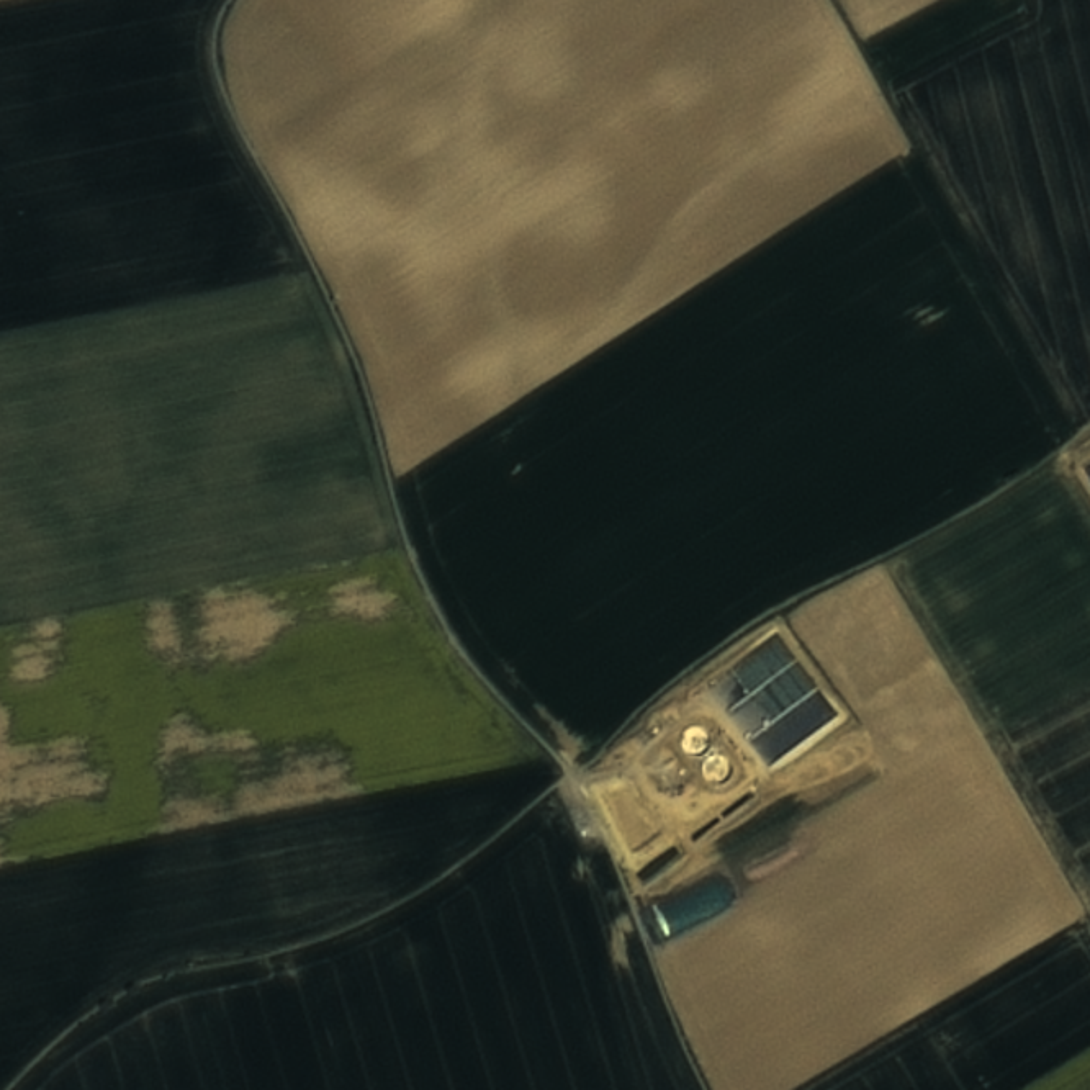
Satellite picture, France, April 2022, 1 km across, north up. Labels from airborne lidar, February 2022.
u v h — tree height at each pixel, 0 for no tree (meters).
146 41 0
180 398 0
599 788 0
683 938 0
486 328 0
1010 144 0
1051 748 0
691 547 0
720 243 0
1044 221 0
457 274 0
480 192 0
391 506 0
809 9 0
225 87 0
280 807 0
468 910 0
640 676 0
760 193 0
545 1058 0
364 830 0
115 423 0
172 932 0
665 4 0
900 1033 0
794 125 0
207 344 0
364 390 8
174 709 0
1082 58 0
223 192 0
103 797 0
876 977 0
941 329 0
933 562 0
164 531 0
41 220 0
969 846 0
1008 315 0
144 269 0
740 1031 0
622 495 0
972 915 0
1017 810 0
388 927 0
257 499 0
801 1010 0
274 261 0
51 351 0
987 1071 0
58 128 0
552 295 0
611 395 0
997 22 0
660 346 0
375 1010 0
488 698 0
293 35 0
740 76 0
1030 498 0
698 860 0
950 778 0
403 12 0
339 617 0
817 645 0
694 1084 0
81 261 0
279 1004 0
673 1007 0
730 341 0
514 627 0
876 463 0
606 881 0
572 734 0
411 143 0
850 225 0
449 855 0
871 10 0
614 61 0
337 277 0
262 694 0
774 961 0
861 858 0
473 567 0
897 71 0
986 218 0
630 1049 0
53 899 0
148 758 0
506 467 0
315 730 0
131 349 0
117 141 0
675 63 0
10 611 0
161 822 0
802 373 0
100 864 0
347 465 0
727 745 0
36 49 0
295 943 0
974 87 0
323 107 0
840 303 0
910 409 0
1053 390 0
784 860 0
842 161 0
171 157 0
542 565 0
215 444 0
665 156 0
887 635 0
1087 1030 0
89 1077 0
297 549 0
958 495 0
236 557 0
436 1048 0
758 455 0
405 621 0
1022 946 0
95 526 0
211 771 0
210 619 0
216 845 0
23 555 0
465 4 0
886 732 0
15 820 0
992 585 0
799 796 0
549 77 0
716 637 0
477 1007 0
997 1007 0
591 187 0
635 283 0
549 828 0
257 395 0
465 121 0
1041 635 0
